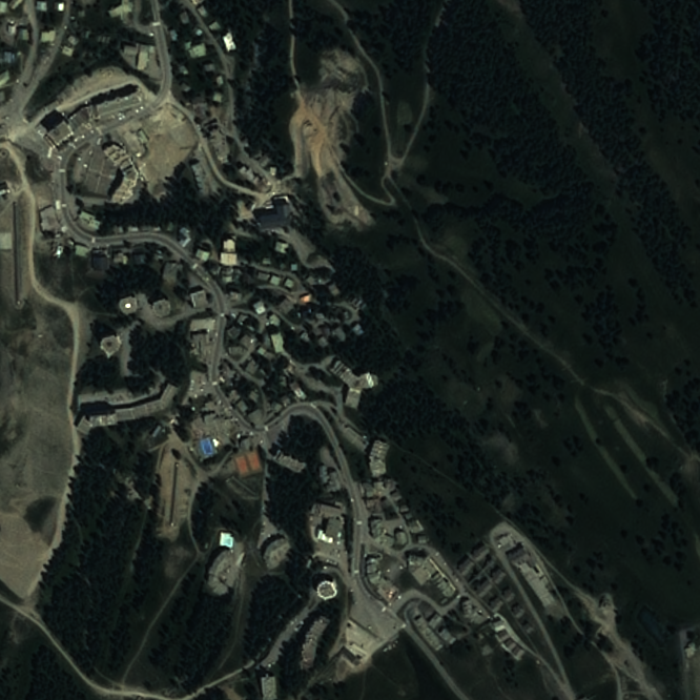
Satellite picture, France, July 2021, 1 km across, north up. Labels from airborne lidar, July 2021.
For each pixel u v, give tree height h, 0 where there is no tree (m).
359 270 18
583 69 23
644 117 0
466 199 0
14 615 0
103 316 0
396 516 8
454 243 0
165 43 0
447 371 0
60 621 23
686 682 0
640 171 18
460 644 11
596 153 0
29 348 0
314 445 19
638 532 0
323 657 24
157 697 0
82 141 0
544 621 0
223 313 0
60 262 0
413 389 11
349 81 0
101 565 26
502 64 26
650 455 0
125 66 7
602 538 0
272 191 0
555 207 23
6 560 0
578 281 18
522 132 25
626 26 0
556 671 0
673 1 12
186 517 0
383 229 0
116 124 0
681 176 0
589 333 0
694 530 0
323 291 23
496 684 0
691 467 0
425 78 0
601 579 0
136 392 19
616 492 0
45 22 8
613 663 0
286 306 0
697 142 0
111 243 0
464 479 20
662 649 0
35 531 0
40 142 0
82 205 23
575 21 23
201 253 0
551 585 0
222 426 0
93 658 25
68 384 0
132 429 24
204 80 22
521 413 16
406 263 0
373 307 23
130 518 18
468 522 0
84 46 10
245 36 23
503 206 16
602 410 0
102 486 23
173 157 0
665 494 0
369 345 24
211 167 0
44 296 0
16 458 0
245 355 0
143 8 0
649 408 0
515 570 0
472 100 21
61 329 0
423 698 0
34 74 0
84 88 0
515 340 16
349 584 0
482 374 0
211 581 0
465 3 23
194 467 0
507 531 0
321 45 22
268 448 0
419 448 0
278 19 0
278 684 0
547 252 0
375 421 23
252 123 15
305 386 17
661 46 19
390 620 0
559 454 0
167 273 0
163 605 0
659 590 0
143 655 0
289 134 0
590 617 0
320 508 0
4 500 0
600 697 0
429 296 0
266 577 0
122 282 21
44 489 0
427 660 0
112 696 0
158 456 0
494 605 0
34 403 0
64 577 0
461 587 0
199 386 0
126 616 14
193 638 19
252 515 0
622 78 0
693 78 16
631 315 0
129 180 0
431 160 0
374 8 0
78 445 0
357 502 0
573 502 0
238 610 0
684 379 0
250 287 18
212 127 0
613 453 0
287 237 0
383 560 0
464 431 20
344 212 0
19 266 0
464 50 26
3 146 0
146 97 0
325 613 15
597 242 0
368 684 0
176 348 23
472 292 0
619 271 0
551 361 0
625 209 0
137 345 21
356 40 0
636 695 0
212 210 14
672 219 15
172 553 0
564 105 0
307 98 0
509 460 0
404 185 0
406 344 0
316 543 0
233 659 0
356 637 0
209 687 0
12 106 0
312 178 0
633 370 0
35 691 14
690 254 0
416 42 23
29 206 0
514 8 0
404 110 0
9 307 0
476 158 0
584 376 0
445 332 0
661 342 0
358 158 0
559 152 23
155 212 24
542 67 0
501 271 17
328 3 0
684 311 0
